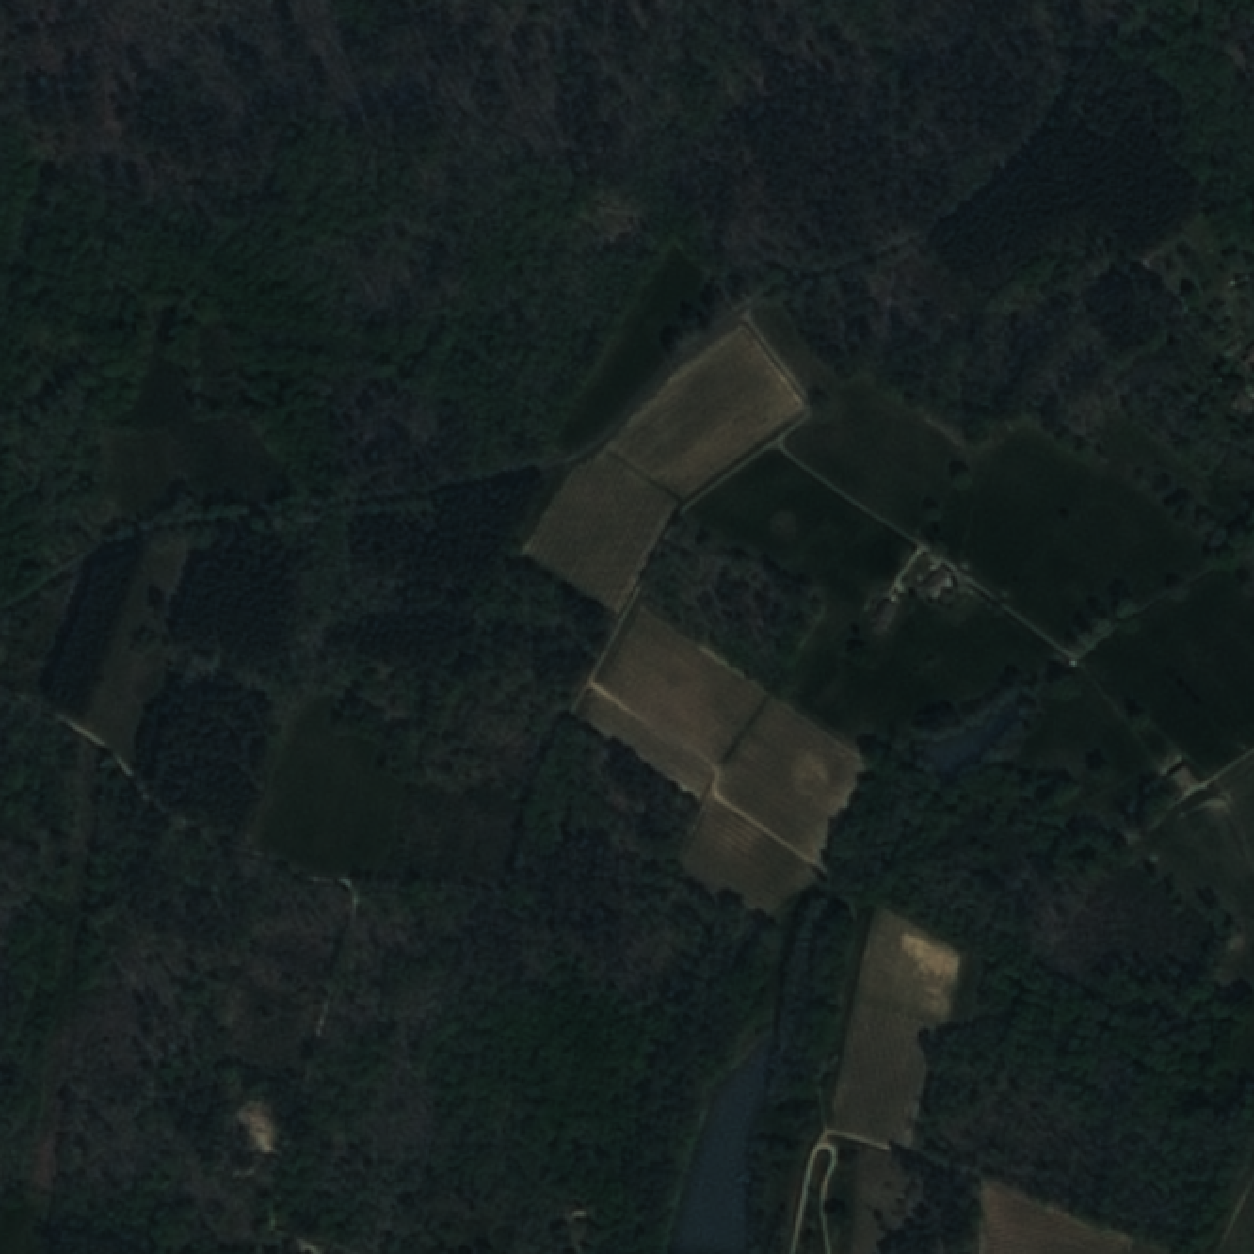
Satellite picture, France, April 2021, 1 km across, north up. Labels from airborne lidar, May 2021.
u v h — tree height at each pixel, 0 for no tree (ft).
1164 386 38
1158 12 43
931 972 0
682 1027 64
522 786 38
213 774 70
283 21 48
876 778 37
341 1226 29
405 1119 48
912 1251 39
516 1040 56
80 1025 22
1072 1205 43
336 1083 54
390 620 61
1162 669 0
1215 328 44
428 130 94
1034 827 49
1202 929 17
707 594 37
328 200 53
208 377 22
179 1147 47
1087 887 27
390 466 69
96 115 80
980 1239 26
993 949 37
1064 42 50
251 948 43
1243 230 64
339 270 52
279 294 70
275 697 36
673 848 56
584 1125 50
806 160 79
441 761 29
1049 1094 49
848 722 0
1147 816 55
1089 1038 59
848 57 85
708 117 70
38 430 72
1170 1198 47
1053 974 52
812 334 52
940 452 0
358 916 32
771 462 0
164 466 0
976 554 0
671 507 0
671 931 53
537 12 36
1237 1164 61
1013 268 68
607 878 88
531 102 48
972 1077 36
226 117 80
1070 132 70
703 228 55
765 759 0
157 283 70
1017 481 0
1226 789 0
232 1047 21
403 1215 27
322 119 48
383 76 50
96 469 40
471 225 48
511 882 48
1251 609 0
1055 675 31
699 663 0
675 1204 88
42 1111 47
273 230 53
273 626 64
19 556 51
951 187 78
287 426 52
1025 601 0
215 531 61
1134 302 59
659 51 52
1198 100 63
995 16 90
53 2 58
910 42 36
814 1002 57
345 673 52
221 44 48
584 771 61
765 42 70
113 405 44
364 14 52
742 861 0
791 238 58
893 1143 0
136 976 39
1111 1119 58
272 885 38
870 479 0
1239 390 26
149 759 32
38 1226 0
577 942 26
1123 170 69
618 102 65
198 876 48
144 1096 28
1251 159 50
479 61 46
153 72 90
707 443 0
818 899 50
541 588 44
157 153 32
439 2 31
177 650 35
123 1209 47
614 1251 39
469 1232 0
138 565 69
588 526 0
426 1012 70
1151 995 71
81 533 52
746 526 0
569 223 55
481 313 38
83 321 71
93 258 69
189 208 77
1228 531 34
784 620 39
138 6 37
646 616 0
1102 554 0
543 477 57
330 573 67
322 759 0
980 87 69
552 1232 21
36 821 52
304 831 0
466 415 84
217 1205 35
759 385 0
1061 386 56
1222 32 61
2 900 49
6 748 77
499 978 58
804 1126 44
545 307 47
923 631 0
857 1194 0
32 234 52
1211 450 49
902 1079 0
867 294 62
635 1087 47
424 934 55
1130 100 80
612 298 43
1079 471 0
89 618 64
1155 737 0
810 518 0
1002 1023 30
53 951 53
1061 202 69
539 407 68
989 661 0
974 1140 41
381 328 78
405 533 68
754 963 73
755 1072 0
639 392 0
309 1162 36
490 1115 50
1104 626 81
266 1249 29
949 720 39
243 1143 50
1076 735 0
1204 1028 72
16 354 80
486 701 28
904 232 64
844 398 0
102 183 32
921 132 53
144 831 44
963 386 51
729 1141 0
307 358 56
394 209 57
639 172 60
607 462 0
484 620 38
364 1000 32
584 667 71
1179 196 64
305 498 53
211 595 58
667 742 0
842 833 60
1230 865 0
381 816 0
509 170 52
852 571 0
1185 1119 75
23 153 58
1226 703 0
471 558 59
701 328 48
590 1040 59
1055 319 66
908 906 32
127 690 0
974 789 50
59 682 71
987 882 40
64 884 43
